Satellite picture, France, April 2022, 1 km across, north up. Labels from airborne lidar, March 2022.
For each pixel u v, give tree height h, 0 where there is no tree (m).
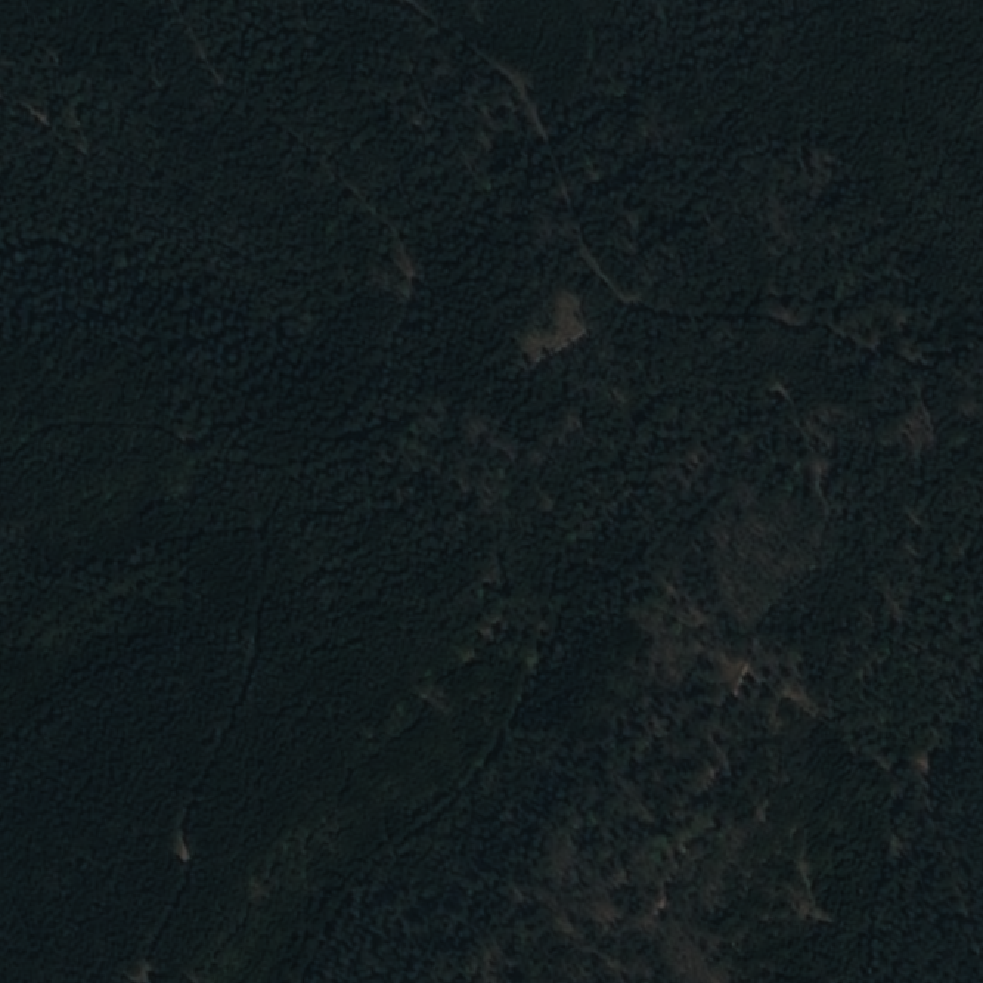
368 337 24
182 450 22
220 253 23
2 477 19
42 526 19
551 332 24
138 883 22
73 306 34
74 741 18
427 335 27
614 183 13
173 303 31
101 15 15
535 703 24
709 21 28
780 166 32
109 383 21
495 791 8
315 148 24
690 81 26
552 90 20
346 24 24
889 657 24
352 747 23
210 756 25
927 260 17
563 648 24
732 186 29
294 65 27
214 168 19
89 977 22
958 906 29
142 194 28
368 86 22
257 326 39
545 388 24
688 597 27
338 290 14
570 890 13
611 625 10
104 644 22
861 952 26
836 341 29
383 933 28
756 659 27
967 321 15
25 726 26
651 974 19
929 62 21
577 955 9
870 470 23
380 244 27
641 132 25
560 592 14
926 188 25
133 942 23
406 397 26
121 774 23
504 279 26
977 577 34
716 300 29
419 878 10
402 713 20
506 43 20
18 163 22
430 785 18
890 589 25
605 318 21
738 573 23
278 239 11
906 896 9
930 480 30
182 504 22
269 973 14
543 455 28
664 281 26
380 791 19
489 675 16
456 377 25
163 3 22
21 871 20
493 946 29
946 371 30
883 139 21
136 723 28
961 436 27
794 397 21
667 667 17
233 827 26
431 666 22
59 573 19
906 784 35
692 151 25
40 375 24
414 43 23
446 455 31
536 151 15
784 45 21
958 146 26
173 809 19
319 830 16
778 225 24
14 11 11
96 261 28
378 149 21
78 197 27
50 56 16
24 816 22
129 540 16
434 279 29
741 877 11
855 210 33
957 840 29
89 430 19
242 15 23
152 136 17
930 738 35
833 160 22
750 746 21
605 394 33
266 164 23
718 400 26
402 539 22
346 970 25
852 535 26
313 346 24
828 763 20
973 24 28
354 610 24
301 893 16
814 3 26
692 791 31
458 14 25
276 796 24
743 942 17
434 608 27
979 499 33
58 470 22
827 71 24
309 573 27
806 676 28
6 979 17
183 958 22
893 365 28
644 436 31
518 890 28
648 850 29
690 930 14
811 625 28
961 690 35
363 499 32
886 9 27
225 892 20
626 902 18
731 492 27
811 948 12
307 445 21
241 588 28
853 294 24
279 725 23
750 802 14
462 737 20
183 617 25
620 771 25
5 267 25
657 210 10
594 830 27
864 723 28
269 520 19
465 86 9
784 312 23
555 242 24
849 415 21
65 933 21
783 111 23
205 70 27
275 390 33
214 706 24
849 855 28
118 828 24
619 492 33
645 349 27
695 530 29
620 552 32
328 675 27
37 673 22
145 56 11
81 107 8
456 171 23
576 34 15
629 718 9
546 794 12
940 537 31
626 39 21
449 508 26
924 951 29
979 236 23
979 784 26
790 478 28
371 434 9
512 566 33
